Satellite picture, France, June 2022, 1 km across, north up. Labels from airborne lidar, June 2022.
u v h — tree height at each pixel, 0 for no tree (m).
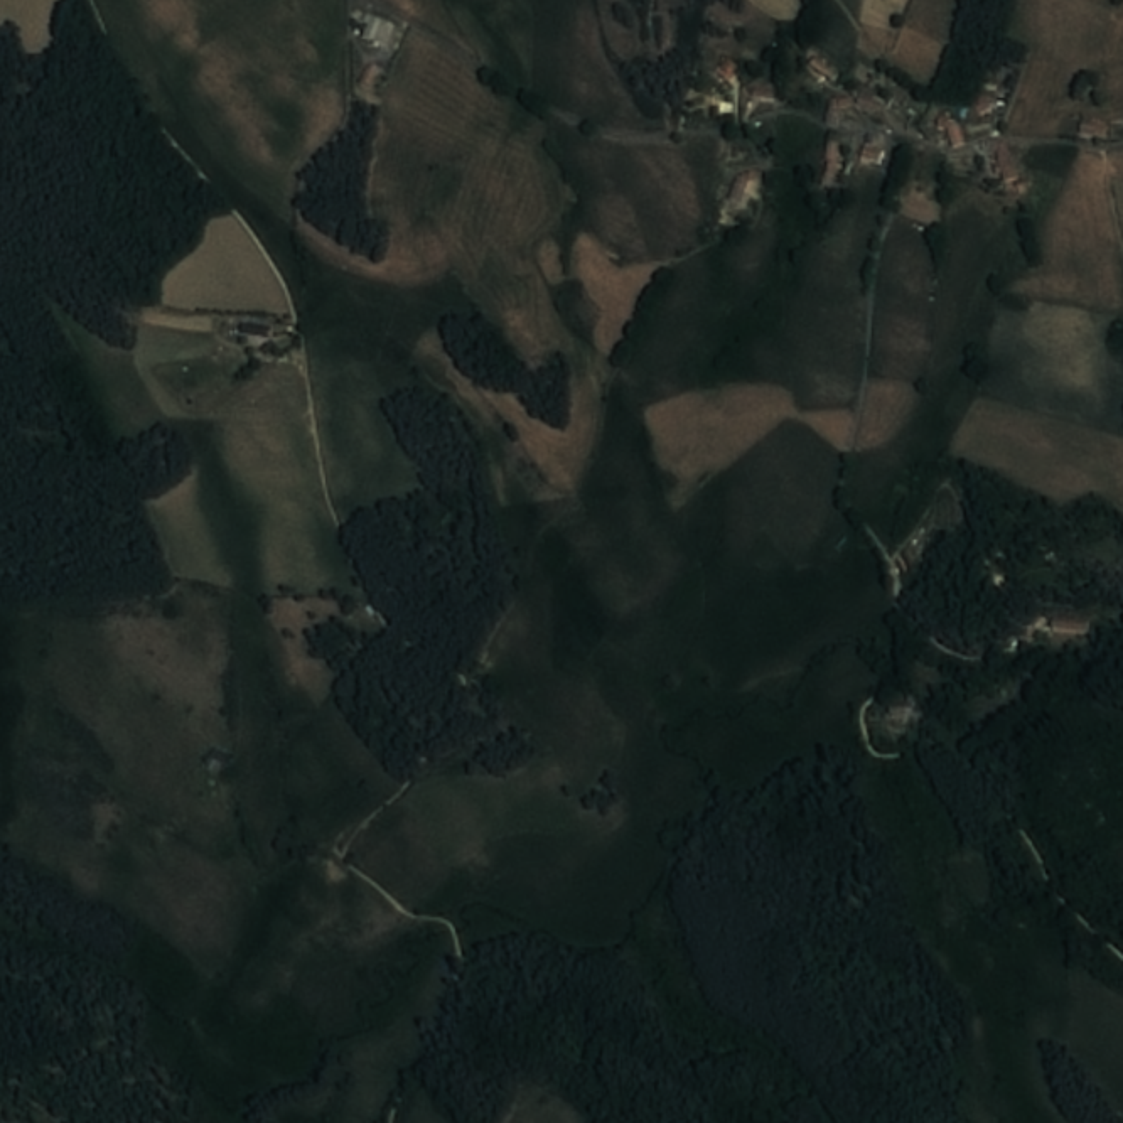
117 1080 17
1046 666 21
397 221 0
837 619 0
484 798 0
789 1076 6
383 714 16
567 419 16
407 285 0
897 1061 26
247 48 0
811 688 0
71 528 18
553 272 0
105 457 12
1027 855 7
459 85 0
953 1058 22
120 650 0
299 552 0
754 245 0
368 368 0
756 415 0
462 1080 23
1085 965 7
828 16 0
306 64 0
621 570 0
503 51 0
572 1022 17
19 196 22
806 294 0
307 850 14
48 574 23
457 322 22
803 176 21
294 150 0
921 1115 22
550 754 0
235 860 0
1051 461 0
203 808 0
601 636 0
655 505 0
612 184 0
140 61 0
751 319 0
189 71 0
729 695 0
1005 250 0
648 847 0
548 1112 0
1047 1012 0
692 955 12
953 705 22
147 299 21
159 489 15
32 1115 12
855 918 14
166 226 24
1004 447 0
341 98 0
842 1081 16
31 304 24
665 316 0
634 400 0
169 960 0
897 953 15
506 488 0
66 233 20
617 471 0
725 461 0
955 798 19
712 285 0
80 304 13
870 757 8
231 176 0
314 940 0
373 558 24
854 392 0
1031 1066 0
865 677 0
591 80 0
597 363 0
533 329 0
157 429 12
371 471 0
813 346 0
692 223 0
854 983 16
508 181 0
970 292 0
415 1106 0
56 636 0
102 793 0
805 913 14
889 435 0
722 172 0
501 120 0
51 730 0
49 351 23
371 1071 0
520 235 0
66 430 25
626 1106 17
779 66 15
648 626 0
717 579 0
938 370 0
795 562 0
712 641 0
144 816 0
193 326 0
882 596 0
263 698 0
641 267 0
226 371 0
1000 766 10
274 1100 18
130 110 27
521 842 0
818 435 0
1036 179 0
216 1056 0
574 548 0
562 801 0
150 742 0
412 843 0
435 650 21
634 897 0
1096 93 14
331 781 0
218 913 0
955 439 0
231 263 0
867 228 0
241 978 0
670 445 0
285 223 0
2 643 0
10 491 26
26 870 11
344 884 0
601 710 0
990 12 22
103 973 13
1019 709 17
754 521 0
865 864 25
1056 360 0
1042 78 0
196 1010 0
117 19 0
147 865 0
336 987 0
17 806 0
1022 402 0
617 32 0
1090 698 7
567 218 5
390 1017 0
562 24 0
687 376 0
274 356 9
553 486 0
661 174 0
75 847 0
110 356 0
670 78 17
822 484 0
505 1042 17
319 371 0
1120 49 0
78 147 24
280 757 0
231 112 0
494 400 0
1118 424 0
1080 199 0
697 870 10
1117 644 25
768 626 0
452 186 0
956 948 0
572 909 0
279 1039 0
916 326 0
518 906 0
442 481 10
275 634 0
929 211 0
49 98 17
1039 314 0
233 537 0
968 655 17
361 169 18
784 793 23
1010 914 7
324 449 0
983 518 19
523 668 0
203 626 0
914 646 21
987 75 9
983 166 9
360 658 10
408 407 20
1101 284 0
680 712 0
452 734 22
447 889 0
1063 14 0
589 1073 21
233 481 0
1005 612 11
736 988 12
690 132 0
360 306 0
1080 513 12
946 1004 24
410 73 0
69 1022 31
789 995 15
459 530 20
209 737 0
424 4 0
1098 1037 0
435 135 0
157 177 18
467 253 0
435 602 14
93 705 0
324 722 0
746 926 12
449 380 0
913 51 0
